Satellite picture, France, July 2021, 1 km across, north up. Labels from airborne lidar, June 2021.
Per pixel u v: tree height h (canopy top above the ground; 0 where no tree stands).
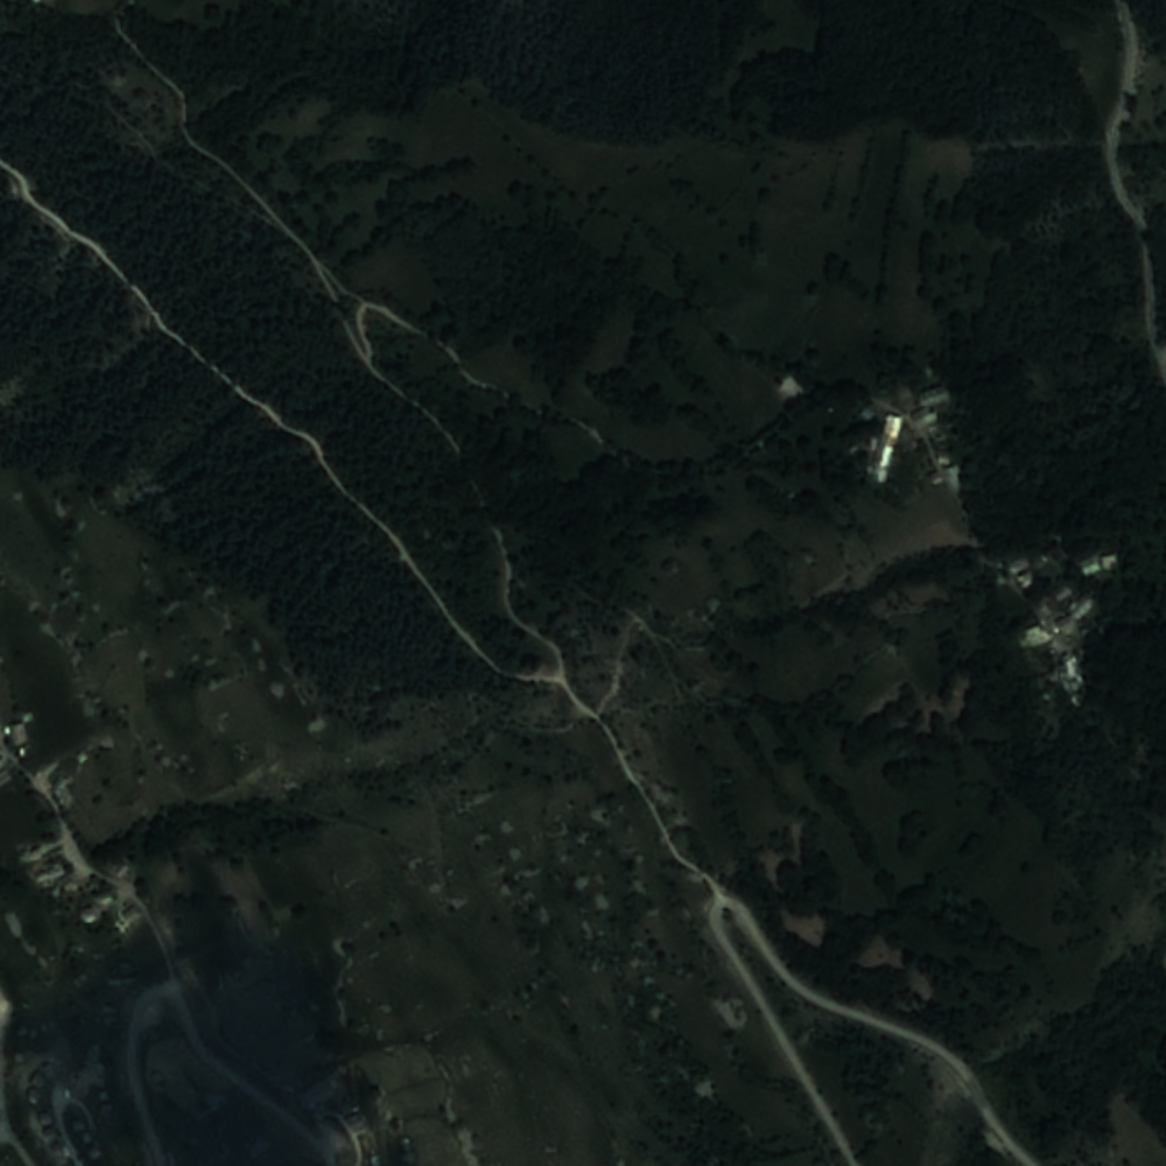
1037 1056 7
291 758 0
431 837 0
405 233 19
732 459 19
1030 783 23
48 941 0
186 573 6
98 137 11
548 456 17
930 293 12
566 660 7
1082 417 10
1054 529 9
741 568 0
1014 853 0
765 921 6
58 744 0
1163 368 0
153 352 18
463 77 10
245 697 0
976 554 14
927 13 23
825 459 10
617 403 14
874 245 0
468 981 0
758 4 14
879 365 7
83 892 7
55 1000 0
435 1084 0
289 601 9
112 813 0
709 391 13
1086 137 10
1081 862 13
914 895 16
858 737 17
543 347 21
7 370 16
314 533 11
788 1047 0
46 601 0
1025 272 10
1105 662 26
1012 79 17
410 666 21
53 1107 0
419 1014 0
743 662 13
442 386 10
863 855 11
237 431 11
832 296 0
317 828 12
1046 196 18
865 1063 17
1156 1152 0
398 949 0
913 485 0
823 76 21
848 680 8
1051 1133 16
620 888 0
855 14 26
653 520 15
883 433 11
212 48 19
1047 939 0
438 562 7
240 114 20
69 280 13
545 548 17
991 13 21
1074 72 13
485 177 0
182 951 11
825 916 18
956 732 7
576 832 6
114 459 17
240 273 8
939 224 10
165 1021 0
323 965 0
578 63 20
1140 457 21
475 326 20
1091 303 19
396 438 18
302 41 19
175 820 15
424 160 0
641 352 16
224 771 0
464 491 12
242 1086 0
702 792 0
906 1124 0
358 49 11
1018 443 26
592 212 6
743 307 0
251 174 11
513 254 14
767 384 0
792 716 9
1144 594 20
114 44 11
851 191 0
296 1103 0
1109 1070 13
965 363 11
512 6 13
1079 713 7
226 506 14
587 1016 0
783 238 0
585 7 18
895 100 15
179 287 12
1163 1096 15
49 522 0
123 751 0
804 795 0
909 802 0
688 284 13
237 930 0
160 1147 0
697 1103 8
